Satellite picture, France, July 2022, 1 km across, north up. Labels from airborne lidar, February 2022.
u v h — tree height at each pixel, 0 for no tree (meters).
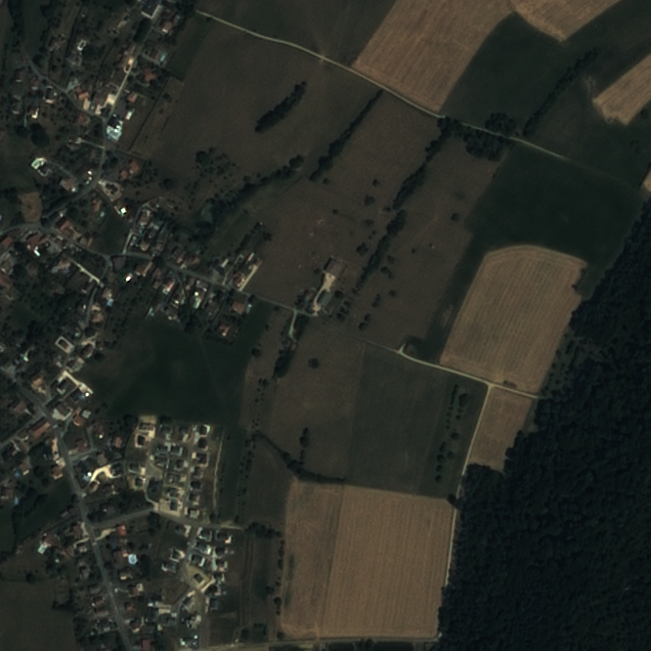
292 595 0
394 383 0
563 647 20
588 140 0
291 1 0
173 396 0
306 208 0
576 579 24
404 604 0
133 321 0
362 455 0
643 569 20
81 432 0
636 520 18
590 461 24
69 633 0
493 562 26
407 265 0
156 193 0
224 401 0
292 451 0
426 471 0
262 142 0
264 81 0
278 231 0
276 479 0
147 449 0
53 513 0
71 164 7
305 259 0
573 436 29
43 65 16
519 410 0
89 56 13
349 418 0
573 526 21
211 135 0
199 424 0
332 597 0
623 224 0
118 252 0
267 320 0
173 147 0
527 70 0
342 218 0
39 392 0
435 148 14
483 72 0
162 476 0
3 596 0
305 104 0
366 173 0
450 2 0
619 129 0
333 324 0
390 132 0
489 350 0
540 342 0
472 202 0
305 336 0
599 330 24
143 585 0
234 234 0
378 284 0
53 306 11
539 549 26
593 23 0
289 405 0
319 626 0
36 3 0
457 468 0
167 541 0
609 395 24
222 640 0
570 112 0
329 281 0
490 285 0
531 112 0
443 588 0
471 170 0
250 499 0
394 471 0
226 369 0
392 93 0
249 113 0
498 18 0
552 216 0
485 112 0
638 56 0
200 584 0
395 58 0
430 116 0
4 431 6
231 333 0
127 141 0
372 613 0
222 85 0
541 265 0
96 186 0
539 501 29
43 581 0
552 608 26
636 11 0
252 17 0
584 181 0
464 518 22
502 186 0
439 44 0
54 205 9
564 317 0
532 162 0
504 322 0
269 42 0
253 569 0
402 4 0
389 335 0
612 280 19
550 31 0
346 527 0
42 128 14
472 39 0
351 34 0
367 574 0
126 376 0
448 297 0
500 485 21
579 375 22
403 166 0
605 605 17
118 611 0
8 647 0
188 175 0
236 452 0
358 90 0
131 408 0
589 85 0
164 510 0
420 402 0
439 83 0
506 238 0
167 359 0
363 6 0
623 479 23
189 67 0
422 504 0
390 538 0
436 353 0
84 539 0
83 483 0
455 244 0
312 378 0
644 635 17
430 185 0
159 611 0
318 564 0
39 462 0
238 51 0
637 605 22
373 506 0
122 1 0
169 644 0
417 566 0
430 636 0
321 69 0
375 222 0
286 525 0
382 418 0
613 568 16
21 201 7
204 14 0
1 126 0
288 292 0
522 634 23
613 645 20
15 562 0
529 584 21
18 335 8
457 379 0
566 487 24
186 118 0
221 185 0
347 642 0
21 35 12
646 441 28
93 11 0
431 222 0
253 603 0
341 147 15
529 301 0
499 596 22
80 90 0
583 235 0
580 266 0
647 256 25
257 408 0
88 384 0
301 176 0
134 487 0
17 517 14
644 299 25
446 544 0
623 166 0
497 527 9
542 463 27
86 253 6
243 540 0
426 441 0
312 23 0
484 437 0
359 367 0
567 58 0
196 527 0
